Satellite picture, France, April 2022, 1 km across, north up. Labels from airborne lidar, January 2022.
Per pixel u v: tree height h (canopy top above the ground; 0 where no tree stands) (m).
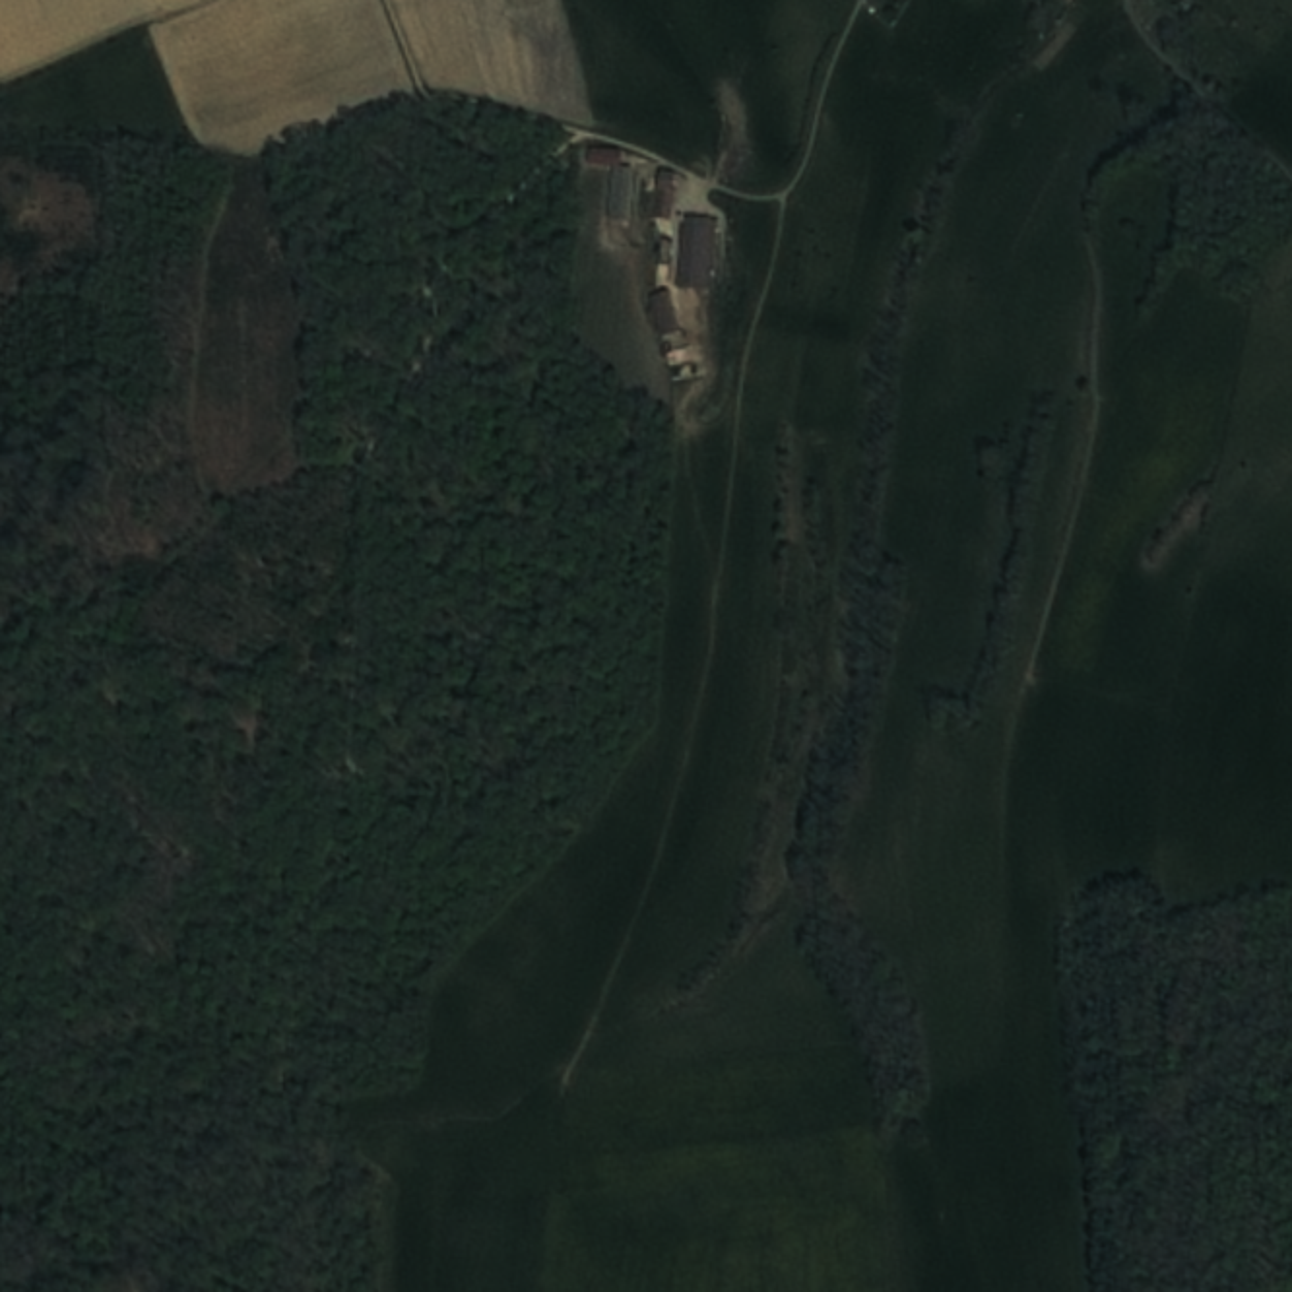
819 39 0
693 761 0
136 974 29
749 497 0
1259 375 0
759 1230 0
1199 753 0
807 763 0
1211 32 0
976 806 0
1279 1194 19
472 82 0
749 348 0
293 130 0
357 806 23
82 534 26
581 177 9
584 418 22
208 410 0
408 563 24
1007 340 0
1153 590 0
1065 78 0
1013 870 0
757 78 0
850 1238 0
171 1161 27
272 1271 25
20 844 22
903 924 0
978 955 0
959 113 0
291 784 27
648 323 0
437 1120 0
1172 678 0
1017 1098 0
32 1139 26
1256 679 0
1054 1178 0
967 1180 0
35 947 24
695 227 0
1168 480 0
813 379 0
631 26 0
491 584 23
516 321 27
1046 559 0
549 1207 0
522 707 20
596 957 0
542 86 0
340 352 26
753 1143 0
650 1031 0
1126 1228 22
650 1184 0
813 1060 0
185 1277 23
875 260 0
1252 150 19
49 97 0
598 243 0
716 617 0
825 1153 0
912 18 0
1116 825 0
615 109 0
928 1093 17
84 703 24
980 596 0
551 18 0
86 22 0
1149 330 0
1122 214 0
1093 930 12
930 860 0
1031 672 0
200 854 25
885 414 18
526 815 26
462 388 27
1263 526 0
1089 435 0
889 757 0
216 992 25
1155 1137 20
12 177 0
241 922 25
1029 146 0
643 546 22
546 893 0
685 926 0
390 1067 27
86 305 10
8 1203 29
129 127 0
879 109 0
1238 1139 19
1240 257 8
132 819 27
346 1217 23
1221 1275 24
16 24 0
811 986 0
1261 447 0
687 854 0
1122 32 0
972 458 0
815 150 0
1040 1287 0
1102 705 0
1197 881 0
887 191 0
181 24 0
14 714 22
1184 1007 22
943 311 0
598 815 19
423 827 29
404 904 20
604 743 19
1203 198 19
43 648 23
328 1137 19
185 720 28
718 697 0
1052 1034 0
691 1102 0
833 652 0
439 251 28
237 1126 26
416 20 0
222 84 0
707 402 0
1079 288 0
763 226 0
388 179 28
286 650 9
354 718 26
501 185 25
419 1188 0
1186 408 0
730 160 0
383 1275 22
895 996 20
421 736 25
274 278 0
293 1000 26
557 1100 0
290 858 22
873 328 0
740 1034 0
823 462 0
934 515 0
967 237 0
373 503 25
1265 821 0
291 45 0
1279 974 17
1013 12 0
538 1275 0
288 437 0
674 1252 0
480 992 0
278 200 19
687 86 0
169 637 12
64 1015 24
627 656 21
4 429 24
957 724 14
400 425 27
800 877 23
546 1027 0
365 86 0
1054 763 0
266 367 0
